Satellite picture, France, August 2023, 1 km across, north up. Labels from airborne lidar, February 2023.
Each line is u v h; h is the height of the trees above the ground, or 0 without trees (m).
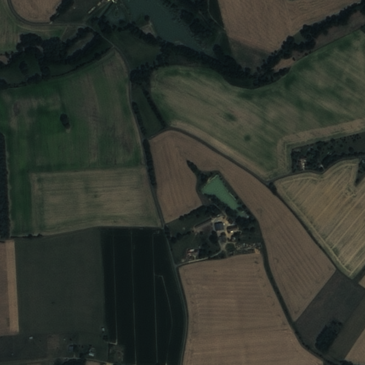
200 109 0
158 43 17
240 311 0
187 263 0
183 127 0
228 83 0
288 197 0
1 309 0
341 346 0
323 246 0
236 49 0
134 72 14
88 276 0
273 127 0
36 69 0
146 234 0
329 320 0
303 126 0
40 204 0
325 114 0
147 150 12
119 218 0
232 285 0
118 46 0
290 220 0
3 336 0
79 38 15
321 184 0
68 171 0
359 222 0
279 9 0
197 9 28
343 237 0
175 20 9
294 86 0
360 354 0
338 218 0
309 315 0
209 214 10
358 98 0
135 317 0
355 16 0
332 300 0
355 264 0
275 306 0
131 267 0
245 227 12
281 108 0
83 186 0
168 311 0
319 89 0
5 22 0
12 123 0
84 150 0
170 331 0
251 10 0
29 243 0
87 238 0
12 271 0
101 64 0
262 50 0
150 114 0
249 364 0
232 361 0
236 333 0
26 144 0
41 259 0
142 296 0
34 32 0
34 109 0
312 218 0
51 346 0
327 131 0
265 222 0
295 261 0
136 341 0
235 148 0
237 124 0
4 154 14
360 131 0
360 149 0
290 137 0
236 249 0
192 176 0
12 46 0
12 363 0
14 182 0
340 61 0
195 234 0
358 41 0
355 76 0
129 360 0
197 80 0
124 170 0
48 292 0
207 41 9
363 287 0
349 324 0
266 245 0
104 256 0
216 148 0
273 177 0
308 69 0
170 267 0
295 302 0
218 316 0
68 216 0
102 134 0
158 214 0
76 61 17
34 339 0
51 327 0
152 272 0
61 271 0
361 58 0
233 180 0
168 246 0
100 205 0
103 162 0
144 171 0
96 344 0
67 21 0
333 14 0
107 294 0
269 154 0
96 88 0
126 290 0
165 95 0
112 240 0
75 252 0
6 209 15
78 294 0
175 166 0
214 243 14
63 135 0
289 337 0
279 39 0
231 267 0
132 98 0
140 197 0
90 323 0
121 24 14
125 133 0
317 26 15
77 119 0
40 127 0
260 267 0
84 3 0
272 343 0
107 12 0
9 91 0
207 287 0
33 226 0
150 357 0
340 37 0
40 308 0
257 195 0
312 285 0
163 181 0
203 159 0
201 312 0
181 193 0
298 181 0
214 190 0
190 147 0
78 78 0
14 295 0
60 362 0
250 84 0
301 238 0
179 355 0
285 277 0
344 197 0
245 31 0
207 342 0
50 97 0
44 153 0
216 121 0
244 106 0
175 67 0
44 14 0
